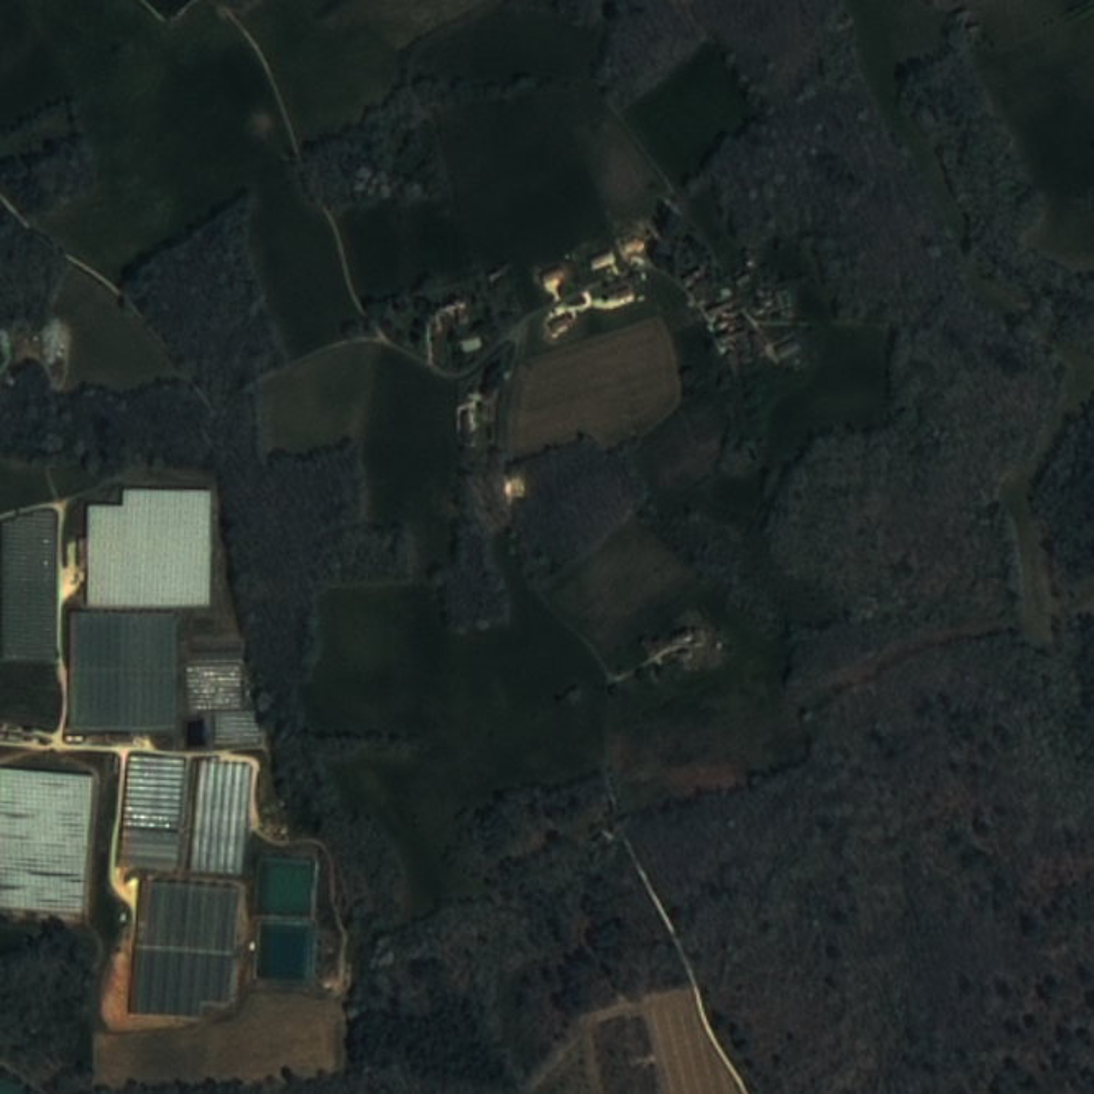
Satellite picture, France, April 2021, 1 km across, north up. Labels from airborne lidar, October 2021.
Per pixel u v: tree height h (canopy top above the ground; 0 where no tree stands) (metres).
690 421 0
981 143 21
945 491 18
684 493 0
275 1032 0
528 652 0
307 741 15
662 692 0
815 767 16
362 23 0
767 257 0
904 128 0
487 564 24
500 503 16
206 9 0
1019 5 0
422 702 0
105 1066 0
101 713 0
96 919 0
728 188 21
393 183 12
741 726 0
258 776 0
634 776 0
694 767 0
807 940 11
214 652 0
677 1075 0
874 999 16
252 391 18
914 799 6
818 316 0
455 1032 19
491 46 0
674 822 17
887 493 17
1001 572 10
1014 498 0
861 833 19
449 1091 24
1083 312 22
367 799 0
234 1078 0
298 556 20
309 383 0
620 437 0
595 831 9
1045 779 23
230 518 16
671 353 0
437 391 0
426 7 0
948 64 19
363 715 0
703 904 17
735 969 6
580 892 20
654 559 0
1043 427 15
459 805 0
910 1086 15
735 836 23
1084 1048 21
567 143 0
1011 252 20
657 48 20
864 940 15
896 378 14
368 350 0
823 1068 13
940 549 12
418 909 0
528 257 0
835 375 0
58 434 14
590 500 20
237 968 0
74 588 0
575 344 0
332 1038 0
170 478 0
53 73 0
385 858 13
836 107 17
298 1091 16
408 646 0
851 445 20
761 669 0
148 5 0
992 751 13
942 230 17
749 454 16
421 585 0
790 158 22
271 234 0
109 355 0
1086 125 0
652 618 0
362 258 0
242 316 19
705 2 15
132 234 0
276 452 0
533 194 0
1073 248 0
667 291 0
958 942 19
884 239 20
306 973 0
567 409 0
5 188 21
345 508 17
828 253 21
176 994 0
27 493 0
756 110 9
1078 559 21
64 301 0
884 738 19
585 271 0
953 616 9
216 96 0
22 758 0
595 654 0
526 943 20
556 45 0
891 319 17
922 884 17
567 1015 25
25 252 17
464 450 6
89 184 6
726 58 12
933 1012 14
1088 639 19
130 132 0
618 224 0
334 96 0
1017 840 19
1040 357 23
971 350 21
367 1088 20
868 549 16
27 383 15
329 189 25
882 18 0
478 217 0
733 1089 0
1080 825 15
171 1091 12
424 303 7
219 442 20
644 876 16
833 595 17
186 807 0
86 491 0
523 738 0
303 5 0
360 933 17
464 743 0
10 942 0
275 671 17
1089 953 8
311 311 0
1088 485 20
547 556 15
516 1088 23
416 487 0
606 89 10
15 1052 21
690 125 0
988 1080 19
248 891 0
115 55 10
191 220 0
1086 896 11
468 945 12
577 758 0
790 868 21
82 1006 7
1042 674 19
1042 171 0
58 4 0
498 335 15
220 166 0
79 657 0
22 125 11
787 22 17
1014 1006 24
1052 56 0
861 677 0
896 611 18
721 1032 18
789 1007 10
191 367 22
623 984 15
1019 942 8
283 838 0
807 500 15
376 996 15
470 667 0
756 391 7
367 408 0
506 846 22
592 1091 7
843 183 23
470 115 0
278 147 0
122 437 15
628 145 0
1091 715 24
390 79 0
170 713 0
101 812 0
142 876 0
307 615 15
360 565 17
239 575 18
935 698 17
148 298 22
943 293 21
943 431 18
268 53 0
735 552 7
